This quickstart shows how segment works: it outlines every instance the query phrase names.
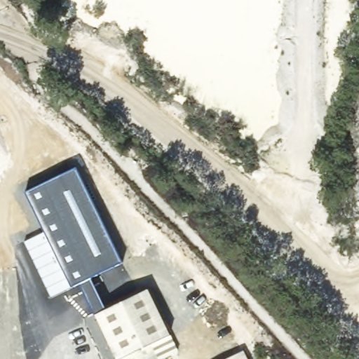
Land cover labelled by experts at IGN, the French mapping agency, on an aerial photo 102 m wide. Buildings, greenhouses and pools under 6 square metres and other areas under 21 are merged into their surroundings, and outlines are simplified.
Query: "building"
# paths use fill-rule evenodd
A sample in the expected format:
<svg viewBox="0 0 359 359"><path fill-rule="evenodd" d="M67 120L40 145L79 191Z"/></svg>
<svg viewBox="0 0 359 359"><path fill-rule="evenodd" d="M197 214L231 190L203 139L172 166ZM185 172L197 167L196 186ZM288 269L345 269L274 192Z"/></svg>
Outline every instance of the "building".
<svg viewBox="0 0 359 359"><path fill-rule="evenodd" d="M91 279L100 276L102 269L115 265L114 257L118 255L79 171L70 168L31 189L27 189L27 182L22 182L14 192L15 201L27 217L28 231L42 229L41 234L27 240L25 247L41 275L49 296L86 285Z"/></svg>
<svg viewBox="0 0 359 359"><path fill-rule="evenodd" d="M184 359L168 335L163 318L158 313L150 293L143 290L97 313L98 324L115 359Z"/></svg>
<svg viewBox="0 0 359 359"><path fill-rule="evenodd" d="M247 359L243 352L238 352L227 359Z"/></svg>

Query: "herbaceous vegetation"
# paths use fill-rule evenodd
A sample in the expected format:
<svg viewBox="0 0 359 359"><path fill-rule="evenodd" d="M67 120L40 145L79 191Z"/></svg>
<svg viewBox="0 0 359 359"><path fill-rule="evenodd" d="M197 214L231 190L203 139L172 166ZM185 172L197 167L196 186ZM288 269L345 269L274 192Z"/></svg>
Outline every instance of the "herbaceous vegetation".
<svg viewBox="0 0 359 359"><path fill-rule="evenodd" d="M144 194L142 188L119 167L100 144L95 142L90 133L81 128L81 125L76 126L76 132L100 151L102 157L128 185L149 212L167 224L168 229L174 231L188 245L189 250L201 259L210 273L222 283L224 289L237 300L245 313L250 314L252 320L272 341L278 338L230 285L229 280L217 271L201 248L189 240L187 234L179 229L178 224L164 215L163 210Z"/></svg>
<svg viewBox="0 0 359 359"><path fill-rule="evenodd" d="M67 102L57 91L48 90L50 100L46 108L52 109L56 114L67 105L79 111L79 102Z"/></svg>

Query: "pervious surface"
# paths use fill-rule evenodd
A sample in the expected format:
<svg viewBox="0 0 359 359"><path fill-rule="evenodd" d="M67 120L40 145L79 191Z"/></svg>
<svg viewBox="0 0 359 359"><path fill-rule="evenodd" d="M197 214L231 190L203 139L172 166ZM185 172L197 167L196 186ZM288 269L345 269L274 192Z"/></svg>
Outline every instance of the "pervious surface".
<svg viewBox="0 0 359 359"><path fill-rule="evenodd" d="M262 342L266 346L272 346L272 341L252 320L250 314L245 313L237 300L224 289L222 283L210 273L201 259L189 250L188 245L174 231L168 229L167 224L149 212L128 185L125 194L122 192L114 201L119 203L122 213L132 217L133 222L142 227L143 231L139 237L143 240L150 238L161 251L168 252L171 258L195 279L199 292L205 293L215 302L217 300L224 303L229 309L227 324L230 325L234 338L238 344L247 345L254 359L258 359L255 344Z"/></svg>
<svg viewBox="0 0 359 359"><path fill-rule="evenodd" d="M0 0L0 41L3 41L6 48L15 56L24 57L32 80L32 84L27 86L13 60L0 55L0 67L8 79L14 81L25 93L34 95L36 101L42 102L46 108L50 100L48 90L38 84L42 67L48 62L48 50L56 48L59 43L79 49L83 57L80 79L86 83L100 84L105 91L105 100L121 98L125 108L128 108L129 121L123 123L123 128L130 129L132 135L139 137L144 146L156 147L156 153L167 151L170 158L175 161L172 168L192 172L199 181L199 192L212 192L217 206L233 206L236 212L241 210L241 226L248 237L257 238L262 244L262 250L271 252L272 259L286 255L290 259L286 266L286 278L294 278L293 286L306 286L318 299L323 300L328 310L324 318L325 323L341 323L342 332L337 337L359 338L359 252L355 252L352 257L348 257L346 251L339 254L339 245L332 241L332 237L348 237L348 226L331 226L327 223L327 210L323 203L318 201L321 179L317 163L313 160L313 150L317 140L324 135L324 118L331 105L331 95L337 91L341 80L341 66L334 50L337 46L349 45L355 38L355 32L346 25L346 22L349 21L353 8L359 3L359 0L65 0L63 6L67 7L67 13L60 17L60 21L77 17L70 28L69 38L66 39L59 34L46 31L42 25L35 24L34 11L41 6L43 0ZM174 97L171 104L151 101L147 97L149 87L132 86L129 81L123 79L123 72L135 74L137 70L137 62L130 57L123 42L123 36L133 28L142 29L146 35L144 52L154 59L153 69L164 70L179 79L177 84L168 88L168 93ZM223 144L209 142L196 130L189 130L185 123L187 115L184 111L184 101L189 95L203 107L213 109L216 112L216 122L222 118L222 112L229 111L234 115L234 121L244 123L244 129L240 130L241 137L245 139L251 136L257 142L257 171L245 171L243 160L227 156Z"/></svg>
<svg viewBox="0 0 359 359"><path fill-rule="evenodd" d="M182 212L177 215L147 184L142 172L146 170L147 163L142 156L130 149L126 156L121 156L107 140L104 140L100 133L100 125L93 126L93 123L88 121L86 109L79 111L67 105L56 114L56 118L62 119L69 132L76 132L76 126L81 125L81 128L90 133L95 142L100 144L119 167L142 188L144 194L163 210L164 215L178 224L179 229L187 234L189 240L201 248L217 271L229 280L230 285L278 338L296 359L310 359L290 335L287 335L285 330L259 306L257 300L238 282L236 276L216 257L215 252L210 250L201 237L188 226L188 213Z"/></svg>

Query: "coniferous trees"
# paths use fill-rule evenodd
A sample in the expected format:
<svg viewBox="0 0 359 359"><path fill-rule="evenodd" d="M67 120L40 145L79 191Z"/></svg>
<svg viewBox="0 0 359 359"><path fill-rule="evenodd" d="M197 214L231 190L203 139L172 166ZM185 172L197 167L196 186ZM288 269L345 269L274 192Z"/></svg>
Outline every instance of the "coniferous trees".
<svg viewBox="0 0 359 359"><path fill-rule="evenodd" d="M296 359L278 338L272 341L272 346L266 346L262 342L255 344L258 359Z"/></svg>
<svg viewBox="0 0 359 359"><path fill-rule="evenodd" d="M107 140L121 156L126 156L130 149L142 156L147 163L146 170L142 172L147 184L177 215L182 212L188 213L188 226L201 237L210 250L215 252L216 257L236 276L238 282L257 300L259 306L285 330L287 335L290 335L310 359L359 359L359 338L337 337L342 332L341 323L325 323L324 318L328 310L323 300L318 299L306 286L293 286L294 278L286 278L286 266L290 259L286 255L272 259L271 252L262 250L262 244L257 238L248 237L241 226L241 210L236 212L233 206L217 206L212 192L199 192L199 181L192 172L172 168L175 161L170 158L167 151L156 153L156 147L144 146L139 137L132 135L130 129L123 128L123 123L129 121L128 108L125 108L121 98L105 100L105 91L100 84L86 83L80 79L83 57L79 49L59 43L56 48L48 50L48 62L42 67L38 84L48 90L57 91L67 102L79 102L79 111L86 109L88 121L93 123L93 126L100 125L100 133L104 140Z"/></svg>
<svg viewBox="0 0 359 359"><path fill-rule="evenodd" d="M66 39L69 38L70 28L77 17L60 21L60 17L67 13L67 7L63 6L65 0L43 0L41 6L34 11L35 24L42 25L46 31L59 34Z"/></svg>
<svg viewBox="0 0 359 359"><path fill-rule="evenodd" d="M331 95L331 105L324 118L324 135L317 140L313 150L313 160L317 163L321 179L318 201L323 203L327 210L327 223L331 226L348 226L348 237L332 237L332 241L339 245L339 254L346 251L348 257L352 257L355 252L359 252L359 3L353 8L349 21L346 22L346 25L355 32L355 38L349 45L337 46L334 50L341 66L341 80L337 91Z"/></svg>

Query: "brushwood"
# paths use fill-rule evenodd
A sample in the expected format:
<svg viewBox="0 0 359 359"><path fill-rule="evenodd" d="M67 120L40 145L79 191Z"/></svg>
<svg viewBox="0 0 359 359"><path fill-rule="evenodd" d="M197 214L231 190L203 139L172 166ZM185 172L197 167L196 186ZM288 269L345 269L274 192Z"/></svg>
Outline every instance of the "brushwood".
<svg viewBox="0 0 359 359"><path fill-rule="evenodd" d="M137 70L135 74L123 72L123 79L129 81L132 86L149 87L147 97L151 101L171 104L174 97L168 93L168 88L177 84L179 79L164 70L153 69L154 59L144 52L146 35L142 29L133 28L123 36L123 42L130 57L137 62Z"/></svg>
<svg viewBox="0 0 359 359"><path fill-rule="evenodd" d="M241 137L240 130L244 129L244 123L234 121L234 115L229 111L222 112L222 118L216 122L216 112L213 109L203 107L189 95L184 101L184 111L187 115L185 123L189 130L196 130L209 142L223 144L227 156L243 160L245 171L257 171L257 142L251 136L245 139Z"/></svg>
<svg viewBox="0 0 359 359"><path fill-rule="evenodd" d="M27 86L32 84L32 80L24 57L15 56L6 48L3 41L0 41L0 55L13 60Z"/></svg>

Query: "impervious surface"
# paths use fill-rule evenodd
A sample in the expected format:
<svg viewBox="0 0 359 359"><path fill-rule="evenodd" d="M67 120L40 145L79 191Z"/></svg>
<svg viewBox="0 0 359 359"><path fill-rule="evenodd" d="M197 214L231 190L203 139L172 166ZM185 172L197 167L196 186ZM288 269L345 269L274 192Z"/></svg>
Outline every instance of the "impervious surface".
<svg viewBox="0 0 359 359"><path fill-rule="evenodd" d="M22 182L27 182L27 189L31 189L70 168L79 171L118 255L114 257L115 265L102 269L100 276L91 279L86 285L49 296L41 275L25 247L27 240L41 234L42 229L28 231L27 217L15 201L14 192ZM125 194L128 185L102 157L100 151L76 132L69 132L62 119L56 118L56 114L52 109L46 108L42 102L36 101L34 95L25 93L14 81L8 79L0 67L0 359L115 359L98 324L97 313L143 290L150 293L158 313L163 318L168 335L184 359L227 359L238 352L243 352L247 359L254 359L247 345L238 344L234 338L230 325L227 324L229 309L224 303L217 300L215 302L205 293L199 292L195 279L171 258L168 252L161 251L150 238L143 240L139 237L143 231L142 227L133 222L132 217L122 213L119 203L114 201L122 192Z"/></svg>

